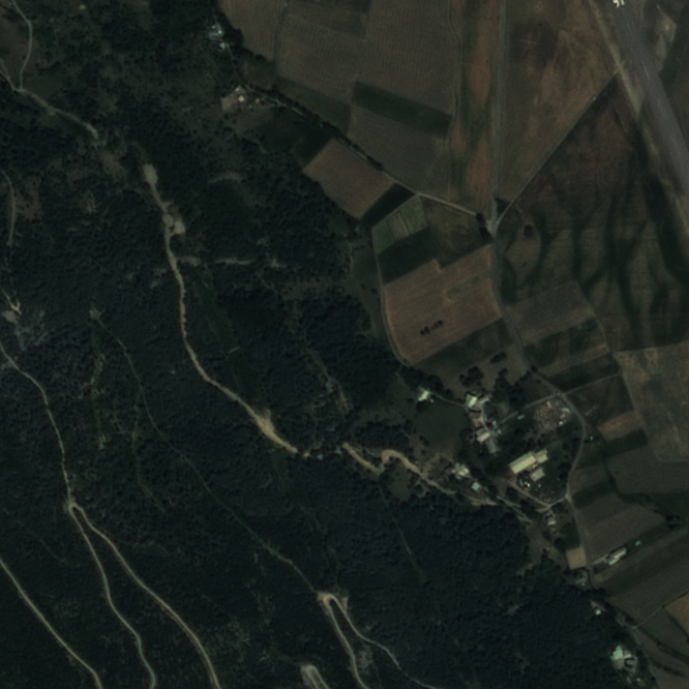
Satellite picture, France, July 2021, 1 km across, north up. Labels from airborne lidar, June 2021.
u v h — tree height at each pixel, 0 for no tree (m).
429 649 15
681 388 0
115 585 8
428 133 0
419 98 0
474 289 0
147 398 10
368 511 15
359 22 0
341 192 0
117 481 15
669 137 0
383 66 0
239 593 8
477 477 8
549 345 0
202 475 9
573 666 17
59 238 6
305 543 8
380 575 8
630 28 0
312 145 0
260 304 23
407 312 0
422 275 0
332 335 15
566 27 0
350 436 13
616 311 0
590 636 14
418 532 18
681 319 0
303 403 13
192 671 7
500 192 0
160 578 8
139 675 8
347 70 0
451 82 0
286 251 13
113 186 9
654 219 0
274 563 7
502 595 15
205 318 10
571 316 0
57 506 9
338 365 16
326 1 0
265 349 17
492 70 0
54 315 9
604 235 0
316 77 0
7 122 9
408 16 0
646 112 0
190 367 9
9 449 5
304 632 7
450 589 11
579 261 0
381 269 0
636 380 0
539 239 0
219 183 9
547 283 0
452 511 14
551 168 0
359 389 14
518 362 0
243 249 13
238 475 11
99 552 8
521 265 0
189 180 9
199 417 15
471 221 0
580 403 0
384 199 0
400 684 10
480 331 0
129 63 7
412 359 0
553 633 15
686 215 0
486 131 0
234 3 0
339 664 6
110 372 11
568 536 0
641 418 0
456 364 0
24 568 8
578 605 13
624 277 0
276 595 7
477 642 13
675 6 0
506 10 0
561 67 0
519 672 12
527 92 0
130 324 13
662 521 0
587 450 0
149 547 11
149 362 13
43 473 11
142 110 6
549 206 0
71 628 7
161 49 11
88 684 7
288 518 9
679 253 0
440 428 0
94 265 14
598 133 0
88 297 9
